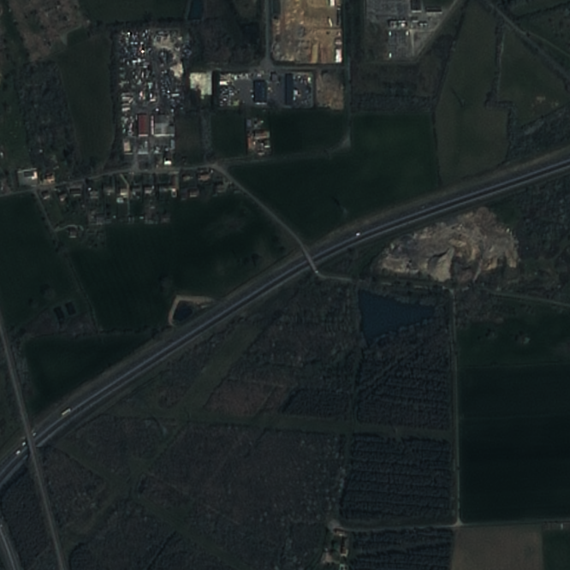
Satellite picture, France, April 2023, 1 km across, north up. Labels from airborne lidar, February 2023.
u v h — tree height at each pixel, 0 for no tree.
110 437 11
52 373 0
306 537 13
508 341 0
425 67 0
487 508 0
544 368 0
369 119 0
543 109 0
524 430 0
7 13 0
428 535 11
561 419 0
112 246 0
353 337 10
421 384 14
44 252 0
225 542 10
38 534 12
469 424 0
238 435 14
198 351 9
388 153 0
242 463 13
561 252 0
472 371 0
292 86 0
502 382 0
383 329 0
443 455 15
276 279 0
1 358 14
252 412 7
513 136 6
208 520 9
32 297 0
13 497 13
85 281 0
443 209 0
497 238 0
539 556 0
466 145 0
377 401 9
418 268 0
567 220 6
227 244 0
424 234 0
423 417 9
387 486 15
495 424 0
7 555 0
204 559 9
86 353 0
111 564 10
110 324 0
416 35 0
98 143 0
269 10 0
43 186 0
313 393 12
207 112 11
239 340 0
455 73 0
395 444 9
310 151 0
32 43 0
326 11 0
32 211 0
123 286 0
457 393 0
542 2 0
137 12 0
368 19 0
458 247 0
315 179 0
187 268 0
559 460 0
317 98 0
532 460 0
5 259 0
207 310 0
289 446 14
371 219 0
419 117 0
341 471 12
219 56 7
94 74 0
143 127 0
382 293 13
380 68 0
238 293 0
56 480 13
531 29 0
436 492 15
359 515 14
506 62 0
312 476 14
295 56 0
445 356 11
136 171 0
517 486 0
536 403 0
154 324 0
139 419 8
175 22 14
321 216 0
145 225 0
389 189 0
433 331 14
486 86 0
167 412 0
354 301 15
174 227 0
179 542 8
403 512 14
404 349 16
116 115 10
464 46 0
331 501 13
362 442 10
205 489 13
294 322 23
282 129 0
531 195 6
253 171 0
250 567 10
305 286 12
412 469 14
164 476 11
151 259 0
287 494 14
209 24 10
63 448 0
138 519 10
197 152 0
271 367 12
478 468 0
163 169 0
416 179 0
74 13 0
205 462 11
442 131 0
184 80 13
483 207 0
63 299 0
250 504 13
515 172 0
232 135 0
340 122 0
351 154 0
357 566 11
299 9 0
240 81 0
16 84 6
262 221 0
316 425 0
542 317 0
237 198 0
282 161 0
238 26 0
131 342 0
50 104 7
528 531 0
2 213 0
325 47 0
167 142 0
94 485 11
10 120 0
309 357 8
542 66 0
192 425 9
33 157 13
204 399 0
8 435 0
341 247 0
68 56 0
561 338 0
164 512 0
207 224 0
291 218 0
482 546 0
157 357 0
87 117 0
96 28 8
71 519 12
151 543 9
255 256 0
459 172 0
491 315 0
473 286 12
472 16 0
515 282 0
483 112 0
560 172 0
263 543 6
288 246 0
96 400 0
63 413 0
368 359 9
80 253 0
